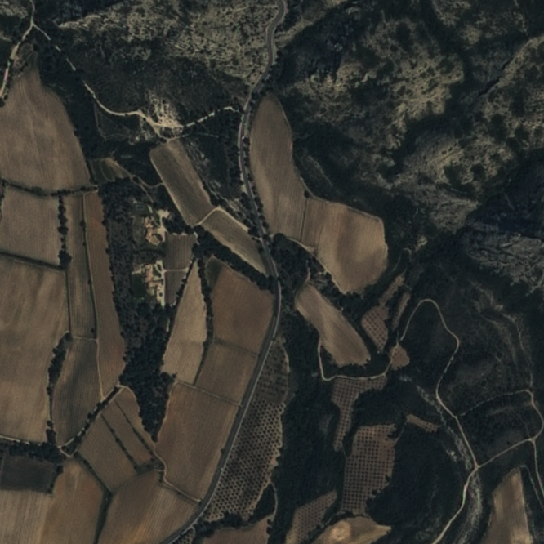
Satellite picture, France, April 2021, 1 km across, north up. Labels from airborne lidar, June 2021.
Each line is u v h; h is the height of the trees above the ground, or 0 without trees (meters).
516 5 0
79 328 0
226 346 0
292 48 6
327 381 0
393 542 0
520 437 0
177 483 0
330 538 0
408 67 0
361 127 0
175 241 0
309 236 0
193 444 0
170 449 0
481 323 0
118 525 0
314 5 0
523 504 0
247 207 9
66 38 10
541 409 0
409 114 0
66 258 15
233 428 0
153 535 0
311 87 0
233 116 11
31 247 0
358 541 0
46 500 0
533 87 0
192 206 0
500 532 0
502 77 0
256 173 0
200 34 0
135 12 0
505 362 0
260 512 6
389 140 0
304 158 0
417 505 6
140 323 6
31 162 0
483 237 0
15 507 0
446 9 0
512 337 0
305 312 0
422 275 6
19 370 0
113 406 0
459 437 0
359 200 0
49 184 0
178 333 0
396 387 5
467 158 0
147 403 11
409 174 0
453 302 0
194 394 0
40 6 13
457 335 0
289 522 6
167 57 0
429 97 0
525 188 0
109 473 0
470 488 0
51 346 0
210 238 13
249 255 0
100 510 0
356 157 0
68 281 0
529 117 0
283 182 0
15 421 0
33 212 0
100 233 0
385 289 6
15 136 0
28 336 0
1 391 0
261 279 10
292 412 8
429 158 0
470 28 0
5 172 0
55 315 0
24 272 0
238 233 0
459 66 0
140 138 0
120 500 0
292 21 7
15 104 0
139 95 0
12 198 0
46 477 0
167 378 16
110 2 0
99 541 0
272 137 0
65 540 0
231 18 0
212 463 0
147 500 0
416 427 6
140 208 0
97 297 0
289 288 11
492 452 0
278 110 0
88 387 0
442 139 0
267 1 0
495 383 0
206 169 0
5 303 0
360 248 0
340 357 0
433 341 0
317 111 0
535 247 0
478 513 0
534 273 0
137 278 0
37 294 0
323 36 0
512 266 0
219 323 0
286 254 11
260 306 0
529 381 0
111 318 0
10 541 0
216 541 0
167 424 0
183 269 0
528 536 0
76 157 0
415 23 0
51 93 0
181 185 0
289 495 7
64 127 0
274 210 0
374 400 6
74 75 11
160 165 0
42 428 0
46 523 0
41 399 0
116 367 0
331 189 0
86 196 0
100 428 0
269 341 0
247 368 0
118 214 7
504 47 0
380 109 0
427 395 0
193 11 0
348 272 0
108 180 0
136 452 0
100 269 0
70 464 0
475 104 0
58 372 6
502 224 0
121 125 6
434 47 0
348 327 0
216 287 0
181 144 0
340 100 0
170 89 0
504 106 0
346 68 0
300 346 7
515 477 0
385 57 0
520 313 0
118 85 0
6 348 0
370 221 0
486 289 0
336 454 6
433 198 0
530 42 0
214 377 0
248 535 0
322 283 0
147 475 0
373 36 0
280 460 8
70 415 0
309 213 0
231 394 0
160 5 0
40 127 0
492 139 0
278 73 7
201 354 0
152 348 17
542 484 0
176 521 0
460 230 5
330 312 0
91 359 0
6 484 0
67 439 0
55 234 0
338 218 0
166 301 0
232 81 0
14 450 11
